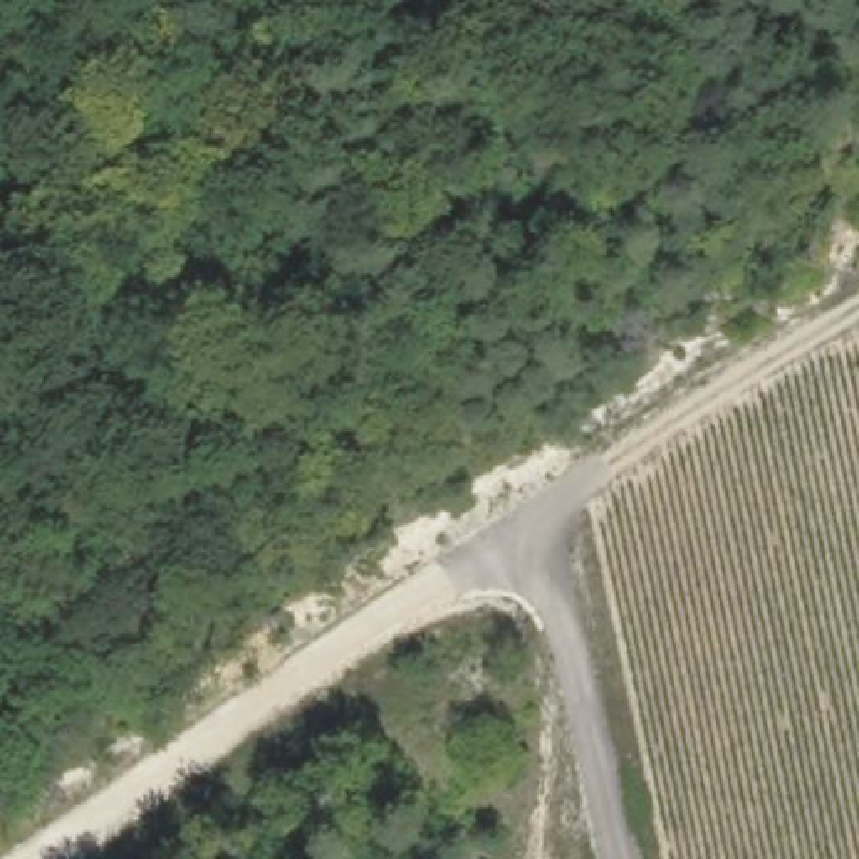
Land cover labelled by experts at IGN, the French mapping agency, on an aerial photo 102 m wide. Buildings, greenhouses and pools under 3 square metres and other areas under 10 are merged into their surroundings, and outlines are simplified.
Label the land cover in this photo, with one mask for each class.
<instances>
[{"label":"deciduous trees","instance_id":"1","mask_svg":"<svg viewBox=\"0 0 859 859\"><path fill-rule=\"evenodd\" d=\"M164 3L168 10H181L201 0H0V778H34L50 768H91L94 762L114 752L111 745L117 738L141 735L158 718V711L168 708L178 685H185L188 678H201L215 664H225L235 648L245 644L248 634L262 627L265 617L292 604L285 587L295 584L299 567L315 564L325 534L366 530L386 493H409L413 487L446 480L463 463L460 450H453L446 430L456 426L460 409L443 406V386H456L473 356V342L480 336L476 315H507L510 332H523L527 319H537L544 312L550 319H560L567 312V302L574 299L577 282H594L607 275V258H617L624 252L634 232H678L671 215H658L634 191L654 185L658 178H664L671 188L691 185L685 164L701 148V141L691 138L688 121L698 117V87L711 77L701 67L698 54L678 44L681 30L674 27V20L685 13L691 0H205L211 7L208 34L181 30L178 37L158 44L154 37H131L148 7ZM386 30L389 44L372 54L369 87L315 91L309 84V70L315 64H339L349 44L376 40V34ZM453 60H466L473 67L476 101H416L396 111H376V97L396 84V74L413 81L416 87H426L430 81L446 77ZM362 242L393 248V255H413L419 265L433 272V285H423L413 299L389 295L366 312L359 302V292L366 289V272H342L332 265L336 248H352ZM792 101H775L755 111L748 121L728 128L735 161H745L752 181L742 188L731 215L718 228L691 235L688 248L705 252L691 268L701 275L715 268L725 272V282L705 302L708 312L725 322L721 332L728 339H742L745 346H762L775 336L778 305H799L809 299V292H825L822 285L832 265V225L849 221L859 232V117L856 124L842 121L825 131H802L785 124ZM446 752H433L419 768H413L399 742L386 731H379L376 738L356 731L319 735L309 765L295 772H272V778L265 782L248 775L242 795H232L228 789L208 815H195V822H188L181 832H164L161 839H154L144 859H312L309 842L319 832H332L342 846H349L352 859H443V852L456 842L460 815H466L470 809H487L483 802L497 789H510L540 768L537 745L517 728L513 718H480L463 735H456L446 725ZM413 802L423 805L419 836L430 842V849L413 846L399 852L379 846L372 839L369 815L386 822L389 805Z\"/></svg>","mask_w":859,"mask_h":859},{"label":"vineyard","instance_id":"2","mask_svg":"<svg viewBox=\"0 0 859 859\"><path fill-rule=\"evenodd\" d=\"M819 359H809L802 372L775 383L768 393L758 396V403L735 406L728 416L708 423L701 436L674 450L668 456V466L654 473L648 483H621L604 520H591L661 859H859V322L822 339L815 346Z\"/></svg>","mask_w":859,"mask_h":859},{"label":"herbaceous vegetation","instance_id":"3","mask_svg":"<svg viewBox=\"0 0 859 859\"><path fill-rule=\"evenodd\" d=\"M832 265L822 285L825 292H809V299L799 305H778L775 336L799 329L805 319H815L842 305L859 292V232L849 221L832 225ZM725 322L708 312L705 329L685 339V356L674 359L671 352H661L631 393L611 396L601 406H594L591 416L580 419L557 446H564L570 456L584 460L597 453L617 443L624 433L644 426L654 413L668 409L691 389L708 386L728 362L742 356L745 346L742 339H728L721 332ZM554 446V440L544 433L537 419H523L503 440L487 436L483 443H460V450L463 463L446 480L413 487L409 493H386L366 530L325 534L315 564L299 567L295 584L285 587L292 604L265 617L262 627L248 634L245 644L235 648L225 664H215L201 678H188L185 685H178L168 708L158 711V718L141 735L117 738L111 745L114 752L94 762L91 768H50L34 778H0V856L34 839L40 829L54 825L97 792H104L121 772L161 752L185 728L211 715L218 705L245 695L258 678L275 674L295 651H305L312 641L336 631L342 621L356 617L383 594L409 584L423 570L419 560L403 564L393 574L383 570V557L396 544V527H406L433 513H466L476 500V476L490 473L493 466H517L530 453ZM547 580L574 604L580 634L587 641L594 685L604 705L607 742L617 762L621 809L641 859H661L591 520L587 510H580L564 527V537L554 540L547 554ZM480 718H513L517 728L537 745V738L544 735L554 742L557 755L554 795L547 809L550 859H594L580 819V785L577 762L570 752L567 698L554 671V651L537 627L527 614L510 617L493 607H476L466 614L433 621L413 634H403L389 648L342 671V678L332 688H325V695L305 698L299 708L279 715L272 725L248 735L215 765L191 772L168 795L144 799L138 822L124 825L107 842L81 836L74 842H64L60 849H50L47 859H144L154 839H161L164 832H181L188 822H195V815H208L228 789L232 795H242L248 775L265 782L272 778V772H295L309 765L319 735L356 731L376 738L379 731H386L399 742L413 768H419L433 752H446V725L456 735H463ZM540 768L510 789H497L483 802L487 809H470L466 815H460L456 842L443 852V859H527L530 812L537 805Z\"/></svg>","mask_w":859,"mask_h":859},{"label":"coniferous trees","instance_id":"4","mask_svg":"<svg viewBox=\"0 0 859 859\"><path fill-rule=\"evenodd\" d=\"M211 7L205 0H201L181 10H168L164 3L148 7L131 37H154L158 44L178 37L181 30L208 34ZM674 27L681 30L678 44L698 54L701 67L711 77L698 87V117L688 121L691 138L701 141V148L685 164L691 185L671 188L664 178H658L654 185L634 191L658 215H671L678 232H634L624 252L617 258H607V275L594 282H577L574 299L567 302V312L560 319H550L544 312L537 319H527L523 332H510L507 315H476L480 336L473 342V356L456 386H443V406L460 409L456 426L446 430L453 450H460V443H483L487 436L503 440L523 419H537L544 433L554 440V446H557L580 419L591 416L594 406H601L611 396L631 393L661 352H671L674 359L685 356V339L705 329L708 312L705 302L725 282V272L715 268L701 275L691 268L705 252L688 248L691 235L718 228L731 215L742 188L752 181L745 161H735L728 128L748 121L755 111L775 101H792L785 124L802 131H825L842 121L856 124L859 117V0H691L685 13L674 20ZM389 44L386 30L376 34V40L349 44L339 64H315L309 70V84L315 91L369 87L372 54ZM416 101H476L473 67L466 60H453L446 77L430 81L426 87H416L413 81L396 74V84L376 97V111H396ZM332 265L342 272H366V289L359 292V302L366 312L389 295L413 299L423 285H433V272L419 265L413 255H393V248L362 242L352 248H336ZM372 839L379 846L399 852L413 846L430 849V842L419 836L423 805L413 802L389 805L386 822L369 815ZM312 859H352L349 846H342L332 832H319L309 842Z\"/></svg>","mask_w":859,"mask_h":859},{"label":"pervious surface","instance_id":"5","mask_svg":"<svg viewBox=\"0 0 859 859\"><path fill-rule=\"evenodd\" d=\"M859 322V292L842 305L815 319H805L799 329L775 336L762 346H745L742 356L728 362L708 386L691 389L668 409L654 413L644 426L624 433L617 443L597 453L604 460V466L594 473L601 490L587 510L591 520H604L621 483H648L654 473L668 466V456L674 450L701 436L708 423L728 416L735 406L758 403V396L768 393L775 383L802 372L809 359H819L815 346L822 339ZM570 456L564 446H554L530 453L517 466H493L490 473L476 476V500L466 513H433L406 527H396V544L383 557V570L393 574L403 564L419 560L423 570L409 584L383 594L356 617L342 621L336 631L312 641L305 651H295L275 674L258 678L245 695L218 705L211 715L185 728L161 752L121 772L104 792H97L54 825L40 829L34 839L0 856V859H47L50 849H60L64 842H74L81 836L107 842L124 825L138 822L144 799L168 795L191 772L215 765L248 735L272 725L279 715L299 708L305 698L325 695V688H332L342 678V671L389 648L403 634H413L433 621L466 614L476 607H493L510 617L527 614L537 627L544 624V614L534 597L513 587L456 591V584L440 567V554L453 550L456 544H466L510 510H517L523 500L540 493L567 470ZM540 768L537 805L530 812L527 859H550L547 809L554 795L557 755L554 742L544 735L537 738V745Z\"/></svg>","mask_w":859,"mask_h":859},{"label":"impervious surface","instance_id":"6","mask_svg":"<svg viewBox=\"0 0 859 859\"><path fill-rule=\"evenodd\" d=\"M604 466V460L597 453L584 460L570 456L567 470L540 493L523 500L517 510H510L466 544H456L453 550L440 554V567L456 584V591L513 587L534 597L544 614V624L537 627L554 651V671L567 698L570 752L577 762L580 785V819L594 859H641L621 809L617 762L607 742L604 705L594 685L587 641L580 634L574 604L547 580V554L554 540L564 537V527L580 510H587L601 490L594 473Z\"/></svg>","mask_w":859,"mask_h":859}]
</instances>
